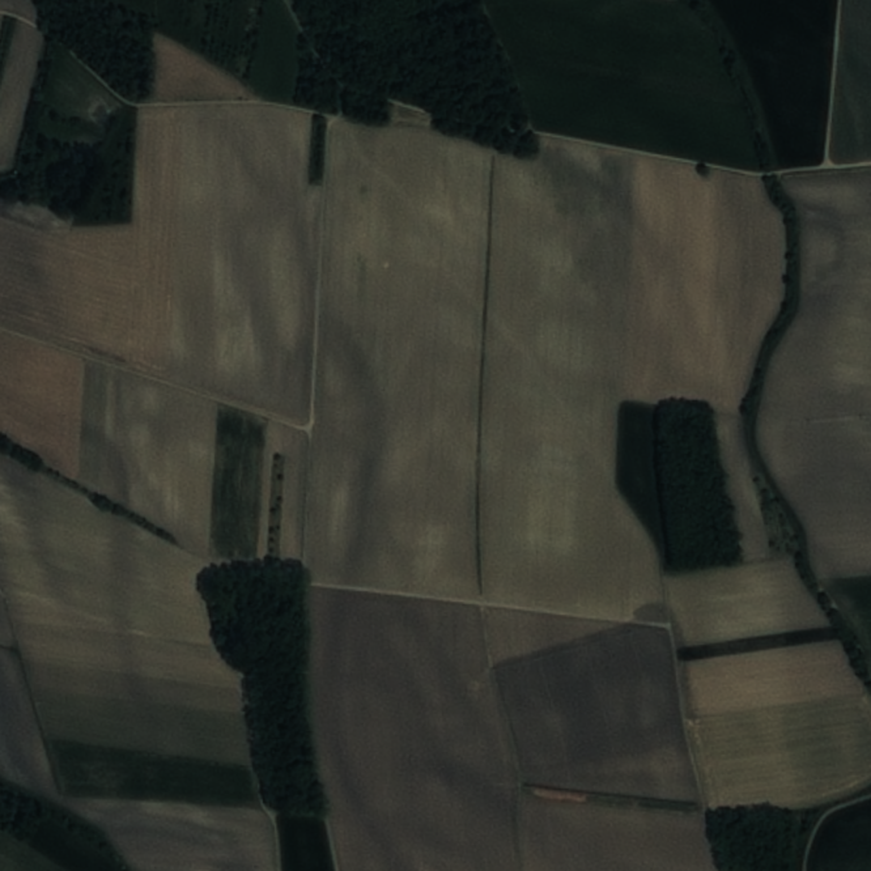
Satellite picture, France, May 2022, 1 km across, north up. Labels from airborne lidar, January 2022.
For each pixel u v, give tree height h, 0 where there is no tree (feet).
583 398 0
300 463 0
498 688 0
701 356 0
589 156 0
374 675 0
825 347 0
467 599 0
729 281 0
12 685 0
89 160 97
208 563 0
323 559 0
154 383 0
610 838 0
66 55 0
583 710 0
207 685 0
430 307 0
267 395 0
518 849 0
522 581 0
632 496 0
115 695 0
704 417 68
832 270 0
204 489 0
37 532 0
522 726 0
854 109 0
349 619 0
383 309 0
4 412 0
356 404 0
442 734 0
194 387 0
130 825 0
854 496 0
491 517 0
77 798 0
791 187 0
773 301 0
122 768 0
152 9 0
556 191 0
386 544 0
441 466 0
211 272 0
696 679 0
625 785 0
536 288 0
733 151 0
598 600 0
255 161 0
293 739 53
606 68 0
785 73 0
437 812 0
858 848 0
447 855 0
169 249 0
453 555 0
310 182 0
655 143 0
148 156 0
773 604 0
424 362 0
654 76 0
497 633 0
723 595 0
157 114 0
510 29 0
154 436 0
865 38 0
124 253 0
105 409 0
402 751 0
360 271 0
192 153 0
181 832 0
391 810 0
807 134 0
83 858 0
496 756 0
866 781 0
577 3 0
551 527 0
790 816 37
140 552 0
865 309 0
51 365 0
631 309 0
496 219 0
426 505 0
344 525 0
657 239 0
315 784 69
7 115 0
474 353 0
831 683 0
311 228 0
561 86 0
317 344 0
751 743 0
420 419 0
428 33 34
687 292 0
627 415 0
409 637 0
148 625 0
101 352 0
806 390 0
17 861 0
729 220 0
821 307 0
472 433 0
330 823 0
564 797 0
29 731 0
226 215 0
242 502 0
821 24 0
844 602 0
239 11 0
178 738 0
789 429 0
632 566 0
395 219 0
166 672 0
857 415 0
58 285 0
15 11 0
